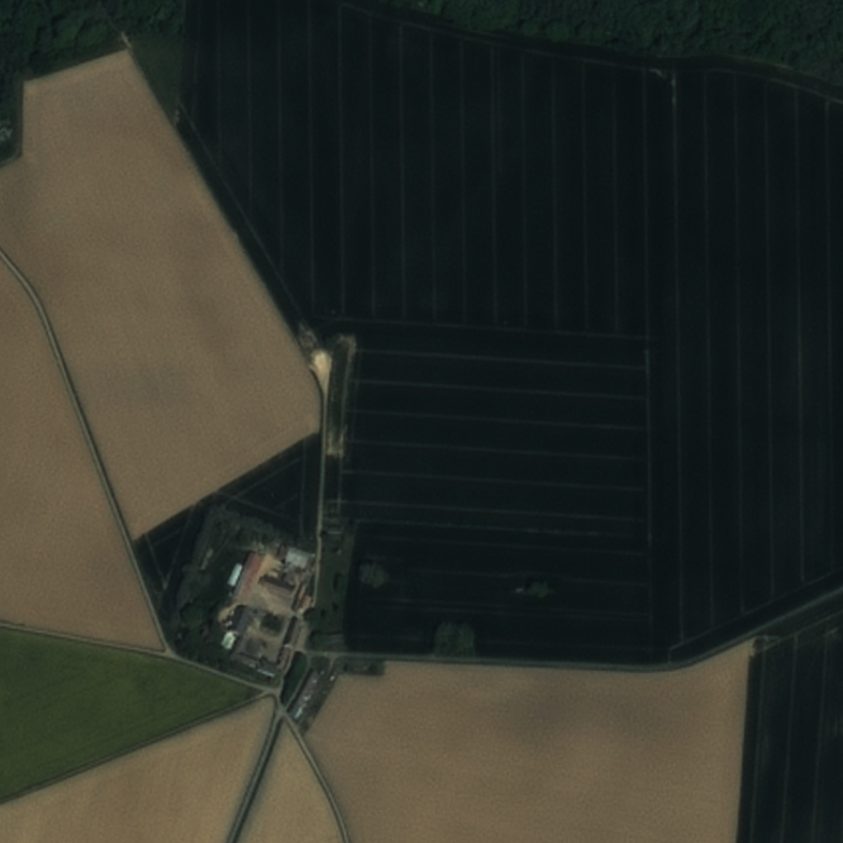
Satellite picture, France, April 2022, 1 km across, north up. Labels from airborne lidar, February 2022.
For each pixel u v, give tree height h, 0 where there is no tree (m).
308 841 0
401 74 0
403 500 0
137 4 19
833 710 0
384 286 0
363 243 0
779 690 0
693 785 0
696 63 0
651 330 0
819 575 0
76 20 18
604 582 0
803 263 0
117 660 0
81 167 0
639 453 0
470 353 0
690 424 0
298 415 0
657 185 0
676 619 0
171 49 0
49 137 0
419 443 0
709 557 0
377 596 0
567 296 0
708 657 0
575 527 0
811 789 0
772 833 0
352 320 0
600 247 0
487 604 0
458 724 0
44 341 0
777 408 0
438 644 14
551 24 14
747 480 0
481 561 0
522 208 0
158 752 0
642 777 0
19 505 0
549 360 0
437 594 0
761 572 0
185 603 9
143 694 0
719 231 0
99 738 0
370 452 0
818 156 0
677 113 0
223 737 0
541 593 17
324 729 0
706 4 28
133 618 0
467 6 20
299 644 0
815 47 21
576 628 0
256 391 0
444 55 0
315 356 0
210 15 0
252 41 0
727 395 0
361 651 0
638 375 0
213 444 0
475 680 0
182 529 0
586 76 0
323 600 0
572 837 0
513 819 0
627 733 0
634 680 0
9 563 0
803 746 0
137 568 0
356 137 0
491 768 0
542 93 0
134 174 0
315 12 0
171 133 0
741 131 0
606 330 0
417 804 0
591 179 0
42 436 0
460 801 0
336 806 0
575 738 0
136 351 0
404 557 0
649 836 0
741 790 0
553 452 0
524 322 0
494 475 0
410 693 0
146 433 0
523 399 0
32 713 0
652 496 0
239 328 0
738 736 0
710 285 0
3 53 18
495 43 0
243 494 0
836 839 0
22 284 0
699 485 0
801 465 0
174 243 0
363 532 0
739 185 0
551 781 0
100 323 0
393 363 0
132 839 0
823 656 0
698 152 0
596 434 0
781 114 0
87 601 0
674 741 0
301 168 0
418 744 0
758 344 0
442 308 0
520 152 0
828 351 0
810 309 0
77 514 0
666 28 24
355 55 0
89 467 0
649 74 0
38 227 0
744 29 27
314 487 0
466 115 0
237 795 0
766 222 0
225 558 0
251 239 0
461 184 0
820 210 0
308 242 0
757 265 0
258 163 0
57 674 0
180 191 0
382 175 0
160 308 0
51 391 0
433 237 0
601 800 0
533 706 0
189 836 0
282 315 0
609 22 20
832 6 16
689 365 0
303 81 0
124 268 0
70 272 0
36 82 0
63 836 0
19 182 0
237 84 0
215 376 0
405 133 0
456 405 0
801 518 0
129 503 0
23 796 0
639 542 0
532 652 0
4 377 0
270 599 0
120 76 0
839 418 0
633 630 0
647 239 0
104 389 0
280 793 0
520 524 0
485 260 0
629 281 0
